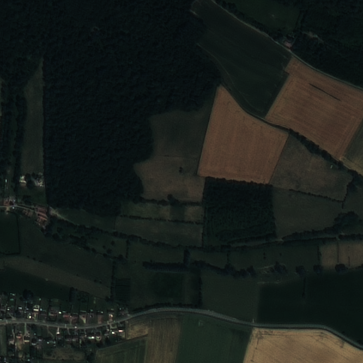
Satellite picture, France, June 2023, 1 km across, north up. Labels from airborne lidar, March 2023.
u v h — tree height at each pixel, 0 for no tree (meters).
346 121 0
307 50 19
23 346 0
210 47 0
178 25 18
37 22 16
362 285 0
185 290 0
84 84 21
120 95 21
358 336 0
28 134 0
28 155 0
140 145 19
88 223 0
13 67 13
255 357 0
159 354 0
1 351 0
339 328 0
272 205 8
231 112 0
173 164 0
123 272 0
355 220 20
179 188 0
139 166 0
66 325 0
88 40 19
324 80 0
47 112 19
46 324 0
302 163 0
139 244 0
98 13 28
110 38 22
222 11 0
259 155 0
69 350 0
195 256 0
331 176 0
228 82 0
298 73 0
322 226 0
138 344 0
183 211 0
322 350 0
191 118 0
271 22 0
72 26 20
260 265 0
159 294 0
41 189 0
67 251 0
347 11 15
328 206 0
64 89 19
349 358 0
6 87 20
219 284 0
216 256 0
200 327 0
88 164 20
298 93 0
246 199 14
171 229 0
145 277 0
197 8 0
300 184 0
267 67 0
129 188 21
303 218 0
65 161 21
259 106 0
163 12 17
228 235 10
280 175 0
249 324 0
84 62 20
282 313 0
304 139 17
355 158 0
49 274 0
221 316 0
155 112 17
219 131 0
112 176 18
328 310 0
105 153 20
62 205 18
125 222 0
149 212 0
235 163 0
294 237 11
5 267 0
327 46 12
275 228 15
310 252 0
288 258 0
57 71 19
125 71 25
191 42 33
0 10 19
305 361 0
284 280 0
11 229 0
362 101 0
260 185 11
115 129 20
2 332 0
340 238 12
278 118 0
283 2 21
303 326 0
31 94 0
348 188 9
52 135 20
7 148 19
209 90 24
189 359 0
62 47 18
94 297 0
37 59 24
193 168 0
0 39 22
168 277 0
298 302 0
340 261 0
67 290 0
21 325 0
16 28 20
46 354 0
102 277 0
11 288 0
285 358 0
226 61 0
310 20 14
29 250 0
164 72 20
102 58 20
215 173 0
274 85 0
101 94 21
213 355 0
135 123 21
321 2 20
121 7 20
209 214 6
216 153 0
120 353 0
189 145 0
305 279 6
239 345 0
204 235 13
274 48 0
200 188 0
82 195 20
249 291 0
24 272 0
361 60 14
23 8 21
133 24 22
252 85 0
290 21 0
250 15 0
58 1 19
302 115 0
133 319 0
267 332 0
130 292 0
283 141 0
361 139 0
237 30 0
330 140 0
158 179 0
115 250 0
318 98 0
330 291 0
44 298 0
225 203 10
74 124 17
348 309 0
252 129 0
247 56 0
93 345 0
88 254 0
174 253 0
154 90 22
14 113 0
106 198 22
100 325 0
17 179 9
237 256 0
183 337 0
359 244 0
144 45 24
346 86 0
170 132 0
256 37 0
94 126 18
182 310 0
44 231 15
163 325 0
